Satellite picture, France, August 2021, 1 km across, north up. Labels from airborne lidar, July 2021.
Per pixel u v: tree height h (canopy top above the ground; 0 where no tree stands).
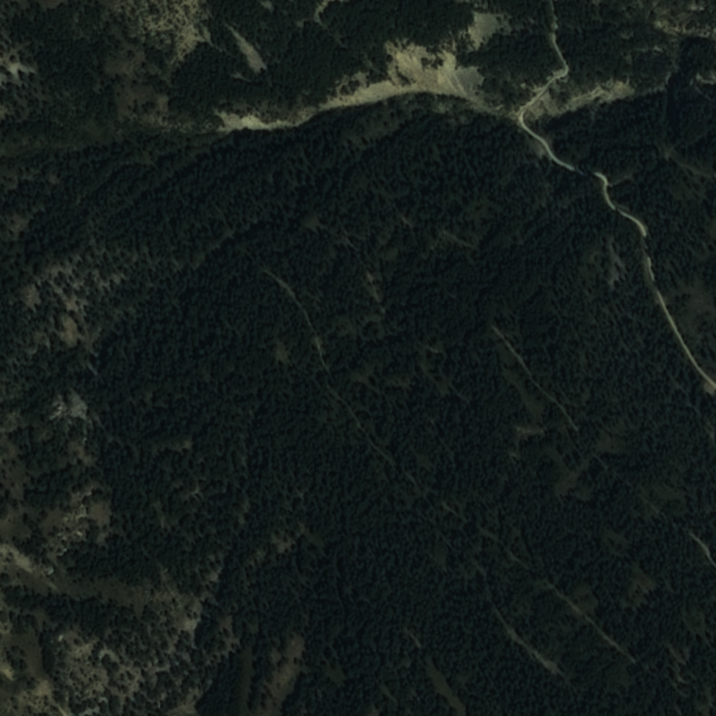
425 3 19
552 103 0
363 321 22
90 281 10
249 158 23
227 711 12
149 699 6
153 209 15
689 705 23
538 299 14
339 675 0
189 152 11
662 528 13
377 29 21
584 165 9
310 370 12
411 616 14
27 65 7
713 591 16
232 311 18
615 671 9
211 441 19
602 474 24
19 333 15
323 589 20
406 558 13
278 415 16
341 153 22
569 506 16
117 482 11
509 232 16
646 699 16
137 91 0
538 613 17
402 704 19
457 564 20
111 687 8
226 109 9
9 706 0
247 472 17
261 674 11
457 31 8
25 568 0
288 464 19
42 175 8
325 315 10
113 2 0
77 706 10
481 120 14
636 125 23
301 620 15
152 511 19
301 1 21
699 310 0
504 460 23
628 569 20
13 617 14
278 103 5
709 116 21
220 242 23
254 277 20
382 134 0
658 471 20
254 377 19
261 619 18
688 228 21
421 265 16
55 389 14
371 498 7
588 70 14
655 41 9
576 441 25
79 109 10
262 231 20
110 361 20
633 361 24
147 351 24
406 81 7
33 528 14
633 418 15
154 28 0
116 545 14
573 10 20
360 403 9
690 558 16
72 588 0
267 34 15
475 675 9
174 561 10
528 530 25
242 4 13
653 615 24
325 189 28
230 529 26
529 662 19
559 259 14
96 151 11
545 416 8
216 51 15
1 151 0
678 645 16
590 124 10
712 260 6
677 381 9
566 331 19
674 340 24
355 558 17
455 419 30
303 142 16
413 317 20
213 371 16
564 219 16
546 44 23
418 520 24
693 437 16
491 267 17
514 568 10
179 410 17
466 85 0
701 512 16
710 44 10
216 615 14
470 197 5
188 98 16
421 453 24
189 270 17
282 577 23
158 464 22
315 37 17
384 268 15
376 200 24
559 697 17
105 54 18
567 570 26
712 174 0
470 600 22
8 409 8
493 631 26
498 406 25
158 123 0
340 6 24
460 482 22
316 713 13
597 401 9
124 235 7
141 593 0
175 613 0
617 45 19
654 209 18
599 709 17
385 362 25
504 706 19
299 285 21
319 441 18
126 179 15
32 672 0
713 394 0
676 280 23
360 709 21
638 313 21
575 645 10
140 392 24
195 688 9
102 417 8
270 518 12
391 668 12
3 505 13
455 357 17
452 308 22
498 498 22
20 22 12
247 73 26
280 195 27
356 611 18
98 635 12
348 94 12
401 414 18
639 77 9
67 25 8
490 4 14
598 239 12
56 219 14
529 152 6
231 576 14
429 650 12
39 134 15
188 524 19
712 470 24
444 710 15
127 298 21
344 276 24
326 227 28
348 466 20
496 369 18
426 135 11
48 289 15
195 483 21
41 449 9
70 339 0
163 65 19
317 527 17
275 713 0
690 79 8
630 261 25
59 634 9
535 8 14
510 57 14
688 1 14
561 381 16
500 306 19
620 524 24
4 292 7
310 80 24
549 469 16
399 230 11
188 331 23
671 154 0
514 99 16
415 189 21
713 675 17
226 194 23
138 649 10
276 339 8
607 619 26
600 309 15
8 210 17
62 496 13
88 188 19
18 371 13
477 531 27
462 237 6
